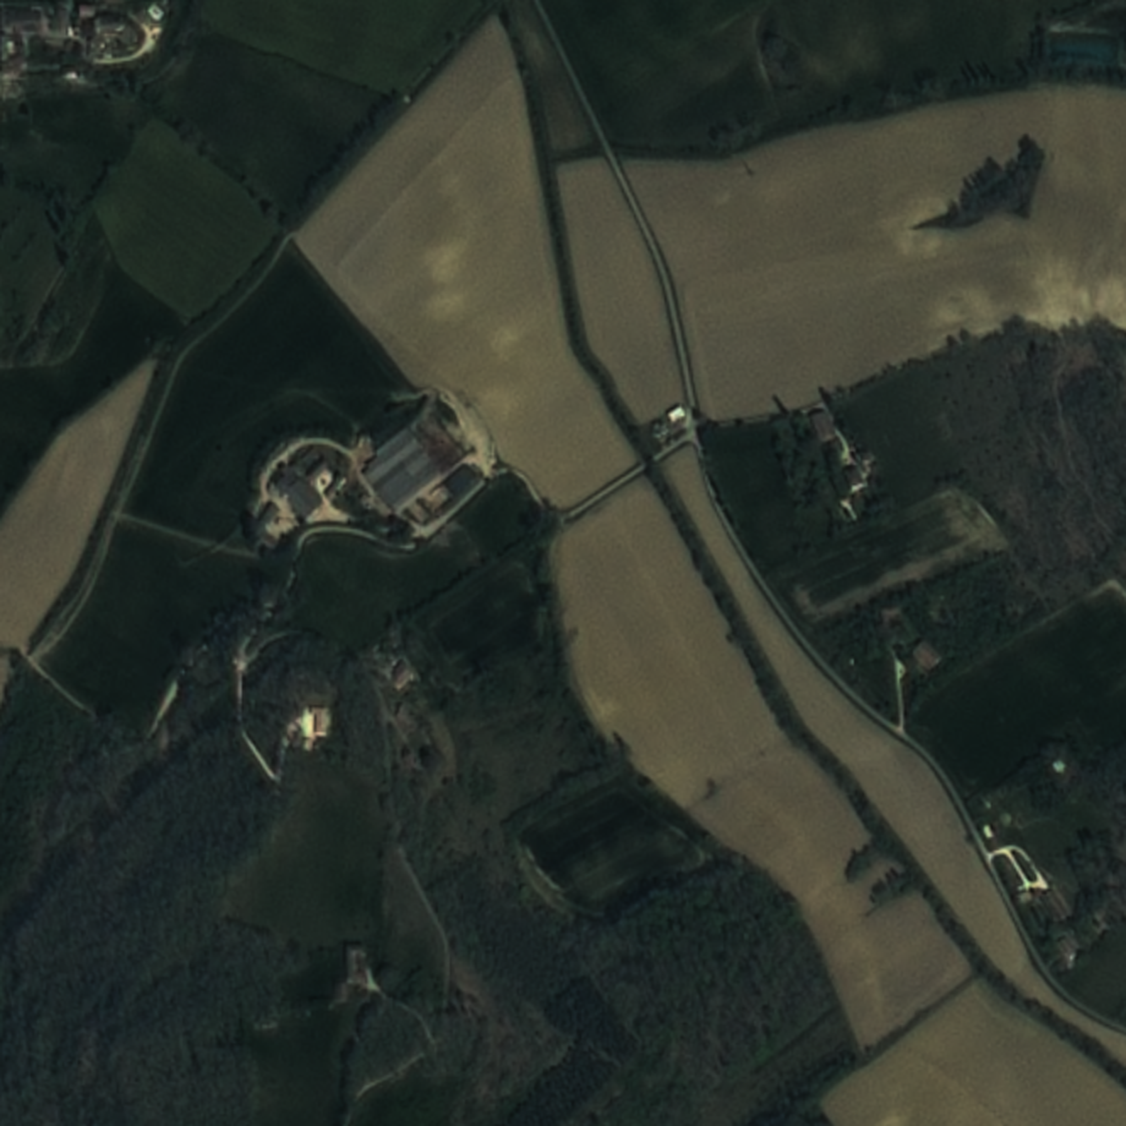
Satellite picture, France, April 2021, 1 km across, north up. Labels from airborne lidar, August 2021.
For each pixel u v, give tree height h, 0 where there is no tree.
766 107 0
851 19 0
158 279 0
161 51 13
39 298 0
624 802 0
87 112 0
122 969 19
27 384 0
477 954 17
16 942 20
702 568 16
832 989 11
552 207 7
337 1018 0
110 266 0
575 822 0
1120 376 8
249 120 0
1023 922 6
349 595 0
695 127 0
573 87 0
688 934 24
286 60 5
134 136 13
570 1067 11
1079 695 0
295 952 12
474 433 0
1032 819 0
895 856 15
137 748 25
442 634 0
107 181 7
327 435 11
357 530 9
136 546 0
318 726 0
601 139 0
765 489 0
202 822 19
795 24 0
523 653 0
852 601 0
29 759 14
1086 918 10
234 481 0
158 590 0
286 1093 0
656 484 14
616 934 20
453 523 0
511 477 11
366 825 0
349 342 0
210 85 0
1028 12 0
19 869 9
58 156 0
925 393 0
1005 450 0
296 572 6
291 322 0
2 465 0
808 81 0
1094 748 0
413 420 9
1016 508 0
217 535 0
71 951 15
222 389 0
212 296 0
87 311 0
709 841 9
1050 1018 15
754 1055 21
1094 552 8
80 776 15
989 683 0
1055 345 7
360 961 10
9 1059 15
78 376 0
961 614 7
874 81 0
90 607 0
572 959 8
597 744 7
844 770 8
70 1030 7
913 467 0
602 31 0
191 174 0
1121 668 0
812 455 18
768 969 27
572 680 10
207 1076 18
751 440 0
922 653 0
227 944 21
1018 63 0
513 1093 11
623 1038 9
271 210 17
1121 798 11
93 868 11
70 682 0
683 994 21
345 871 0
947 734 0
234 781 19
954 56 0
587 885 0
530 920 6
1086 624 0
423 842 19
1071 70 11
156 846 15
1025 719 0
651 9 0
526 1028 13
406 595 0
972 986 0
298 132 0
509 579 0
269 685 11
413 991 9
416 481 0
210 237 0
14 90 13
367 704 17
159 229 0
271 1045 0
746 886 22
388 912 0
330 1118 0
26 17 0
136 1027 16
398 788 15
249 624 15
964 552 0
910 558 0
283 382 0
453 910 17
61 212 7
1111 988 0
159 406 0
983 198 14
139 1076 15
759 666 16
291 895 0
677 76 0
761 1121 13
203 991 13
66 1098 7
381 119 16
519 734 0
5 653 0
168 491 0
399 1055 18
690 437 0
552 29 0
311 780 0
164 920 11
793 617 0
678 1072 12
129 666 0
